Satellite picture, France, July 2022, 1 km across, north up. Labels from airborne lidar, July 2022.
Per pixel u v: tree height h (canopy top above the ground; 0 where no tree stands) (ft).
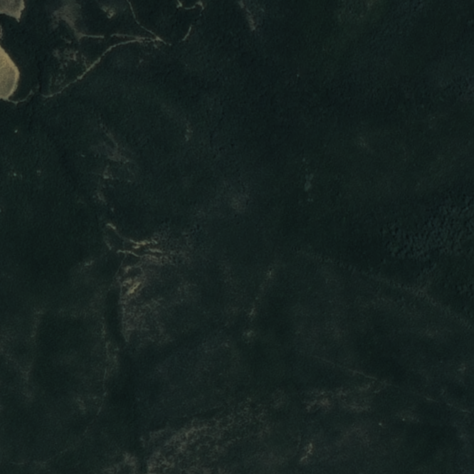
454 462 22
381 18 30
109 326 25
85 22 21
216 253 18
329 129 18
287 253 23
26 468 18
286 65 23
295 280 18
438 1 26
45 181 29
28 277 25
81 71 19
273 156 24
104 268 18
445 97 24
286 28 18
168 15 26
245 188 22
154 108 21
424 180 19
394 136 22
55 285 19
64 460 23
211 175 27
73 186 35
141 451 20
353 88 39
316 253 19
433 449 20
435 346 27
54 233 19
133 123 25
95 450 20
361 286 19
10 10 0
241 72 25
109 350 20
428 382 21
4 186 18
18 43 44
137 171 21
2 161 24
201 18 26
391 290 18
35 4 38
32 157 30
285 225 22
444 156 21
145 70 25
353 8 22
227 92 24
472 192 39
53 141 27
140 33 21
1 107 39
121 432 24
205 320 20
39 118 40
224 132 22
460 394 26
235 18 33
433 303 31
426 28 40
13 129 20
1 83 0
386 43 26
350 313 19
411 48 29
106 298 20
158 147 29
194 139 19
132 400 40
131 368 20
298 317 20
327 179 30
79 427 18
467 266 23
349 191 19
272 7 26
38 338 19
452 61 23
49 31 30
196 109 31
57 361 18
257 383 20
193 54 23
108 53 24
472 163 21
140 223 20
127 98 23
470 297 55
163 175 23
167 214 19
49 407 18
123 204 27
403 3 19
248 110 29
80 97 51
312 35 33
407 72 27
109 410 20
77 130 27
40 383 17
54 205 19
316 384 18
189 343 21
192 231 27
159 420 17
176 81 23
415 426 18
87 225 21
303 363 19
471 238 55
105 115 37
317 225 21
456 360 19
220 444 18
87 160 29
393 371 21
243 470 18
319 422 18
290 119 21
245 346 19
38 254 20
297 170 28
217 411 18
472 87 25
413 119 25
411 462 20
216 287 19
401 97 44
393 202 28
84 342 18
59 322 18
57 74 21
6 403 19
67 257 25
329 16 30
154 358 28
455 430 20
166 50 23
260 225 19
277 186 22
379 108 32
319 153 22
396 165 23
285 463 21
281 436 18
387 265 20
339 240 18
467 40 32
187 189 26
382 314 22
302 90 25
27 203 27
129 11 19
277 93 23
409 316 17
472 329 24
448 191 50
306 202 24
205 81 27
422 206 27
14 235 24
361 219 39
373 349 31
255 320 18
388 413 19
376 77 31
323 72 28
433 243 54
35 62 51
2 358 19
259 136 27
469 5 34
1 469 20
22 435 19
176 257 29
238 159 24
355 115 26
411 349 18
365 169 22
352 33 24
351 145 20
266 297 34
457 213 62
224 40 30
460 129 20
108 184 22
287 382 29
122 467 18
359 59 25
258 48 28
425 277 26
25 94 21
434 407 21
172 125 28
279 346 21
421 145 29
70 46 21
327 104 25
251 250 20
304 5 35
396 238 80
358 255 27
